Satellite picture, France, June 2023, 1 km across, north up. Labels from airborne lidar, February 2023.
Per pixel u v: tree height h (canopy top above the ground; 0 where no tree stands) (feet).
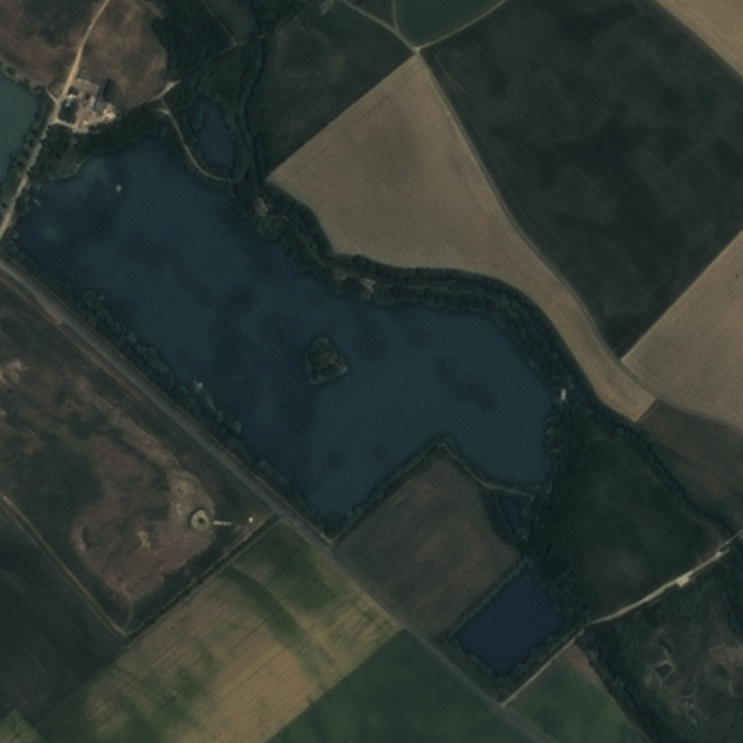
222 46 22
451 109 0
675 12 0
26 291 0
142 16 0
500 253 0
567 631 47
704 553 0
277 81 0
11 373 0
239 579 0
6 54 0
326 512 0
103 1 0
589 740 0
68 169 0
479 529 0
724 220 0
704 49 0
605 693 0
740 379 0
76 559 0
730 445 0
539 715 0
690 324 0
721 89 0
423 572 0
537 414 0
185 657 0
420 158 0
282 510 0
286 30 0
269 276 0
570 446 24
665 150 0
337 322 0
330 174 0
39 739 0
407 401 0
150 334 0
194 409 26
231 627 0
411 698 0
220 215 0
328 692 0
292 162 0
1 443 0
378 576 0
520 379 0
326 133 0
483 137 0
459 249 0
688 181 0
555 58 0
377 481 0
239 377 0
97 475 0
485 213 0
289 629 0
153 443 0
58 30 0
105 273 0
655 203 0
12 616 0
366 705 0
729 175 0
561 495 43
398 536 0
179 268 0
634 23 0
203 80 47
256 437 0
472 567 0
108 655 0
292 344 0
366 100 0
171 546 0
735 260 0
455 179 0
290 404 0
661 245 0
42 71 0
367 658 0
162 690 0
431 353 0
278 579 0
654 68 0
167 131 39
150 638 0
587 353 0
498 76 0
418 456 18
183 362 0
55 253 0
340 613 0
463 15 0
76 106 28
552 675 0
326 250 56
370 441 0
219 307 0
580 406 20
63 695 0
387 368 0
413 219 0
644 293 0
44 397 0
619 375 0
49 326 0
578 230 0
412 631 0
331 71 0
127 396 0
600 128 0
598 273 0
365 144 0
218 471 0
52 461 0
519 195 0
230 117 42
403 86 0
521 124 0
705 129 0
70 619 0
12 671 0
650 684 0
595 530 0
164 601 0
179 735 0
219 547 0
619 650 26
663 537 0
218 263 0
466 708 0
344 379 0
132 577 0
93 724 0
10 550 0
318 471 0
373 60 0
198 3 29
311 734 0
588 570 0
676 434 0
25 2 0
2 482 0
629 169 0
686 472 0
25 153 23
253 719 0
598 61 0
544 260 0
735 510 0
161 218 0
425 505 0
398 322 0
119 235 0
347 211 0
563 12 0
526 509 24
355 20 0
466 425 0
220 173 36
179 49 28
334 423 0
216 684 0
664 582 0
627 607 0
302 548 0
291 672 0
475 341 0
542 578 41
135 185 0
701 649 0
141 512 0
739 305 0
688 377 0
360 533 0
